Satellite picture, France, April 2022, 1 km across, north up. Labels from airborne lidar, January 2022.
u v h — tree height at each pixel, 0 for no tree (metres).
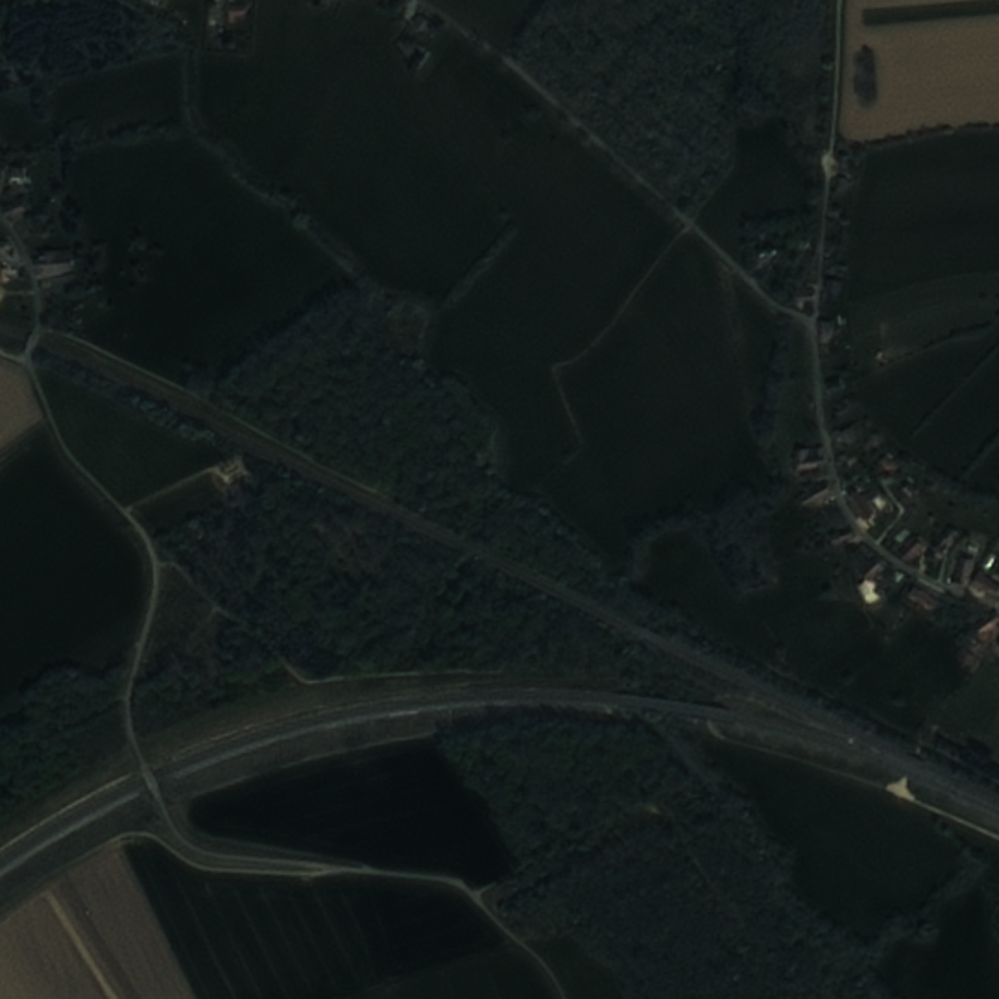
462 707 0
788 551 0
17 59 17
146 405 12
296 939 0
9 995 0
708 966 24
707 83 21
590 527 0
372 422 26
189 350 0
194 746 0
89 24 20
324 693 0
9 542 0
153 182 0
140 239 13
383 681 0
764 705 0
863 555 13
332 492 7
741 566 18
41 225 10
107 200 0
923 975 0
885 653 0
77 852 0
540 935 18
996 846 0
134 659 0
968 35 0
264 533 29
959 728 0
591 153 0
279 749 0
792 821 0
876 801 0
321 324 26
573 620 22
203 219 0
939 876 0
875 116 0
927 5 0
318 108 0
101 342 0
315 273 0
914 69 0
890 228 0
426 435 24
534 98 0
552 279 0
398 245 0
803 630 0
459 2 0
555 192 0
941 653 0
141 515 0
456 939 0
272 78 0
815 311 8
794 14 10
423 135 0
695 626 19
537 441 0
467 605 18
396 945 0
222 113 0
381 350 22
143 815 0
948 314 0
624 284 0
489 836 0
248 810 0
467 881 0
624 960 23
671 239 0
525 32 14
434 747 0
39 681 10
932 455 0
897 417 0
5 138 0
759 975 19
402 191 0
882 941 7
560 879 19
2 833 0
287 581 18
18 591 0
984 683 0
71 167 18
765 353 0
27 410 0
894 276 0
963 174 0
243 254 0
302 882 0
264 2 0
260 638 8
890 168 0
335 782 0
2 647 0
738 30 21
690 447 0
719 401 0
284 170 0
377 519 13
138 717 13
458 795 0
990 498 14
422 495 20
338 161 0
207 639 0
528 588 13
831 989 12
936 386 0
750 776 0
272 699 0
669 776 26
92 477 0
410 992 0
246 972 0
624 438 0
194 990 0
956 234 0
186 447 0
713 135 21
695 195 8
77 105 0
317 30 0
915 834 0
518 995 0
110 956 0
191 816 0
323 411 20
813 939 13
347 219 0
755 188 0
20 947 0
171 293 0
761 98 21
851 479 8
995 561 0
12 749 26
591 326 0
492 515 24
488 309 0
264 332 0
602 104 8
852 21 0
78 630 0
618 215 0
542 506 9
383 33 0
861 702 0
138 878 0
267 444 0
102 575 0
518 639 25
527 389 0
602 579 16
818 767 0
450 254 0
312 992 0
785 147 0
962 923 0
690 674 11
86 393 0
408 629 24
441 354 0
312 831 0
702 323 0
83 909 0
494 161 0
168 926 0
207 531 16
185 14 0
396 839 0
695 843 21
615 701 0
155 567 0
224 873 0
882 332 0
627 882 22
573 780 23
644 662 12
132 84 0
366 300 25
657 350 0
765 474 0
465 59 0
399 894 0
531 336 0
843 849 0
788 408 0
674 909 23
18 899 0
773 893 19
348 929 0
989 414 0
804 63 0
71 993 0
